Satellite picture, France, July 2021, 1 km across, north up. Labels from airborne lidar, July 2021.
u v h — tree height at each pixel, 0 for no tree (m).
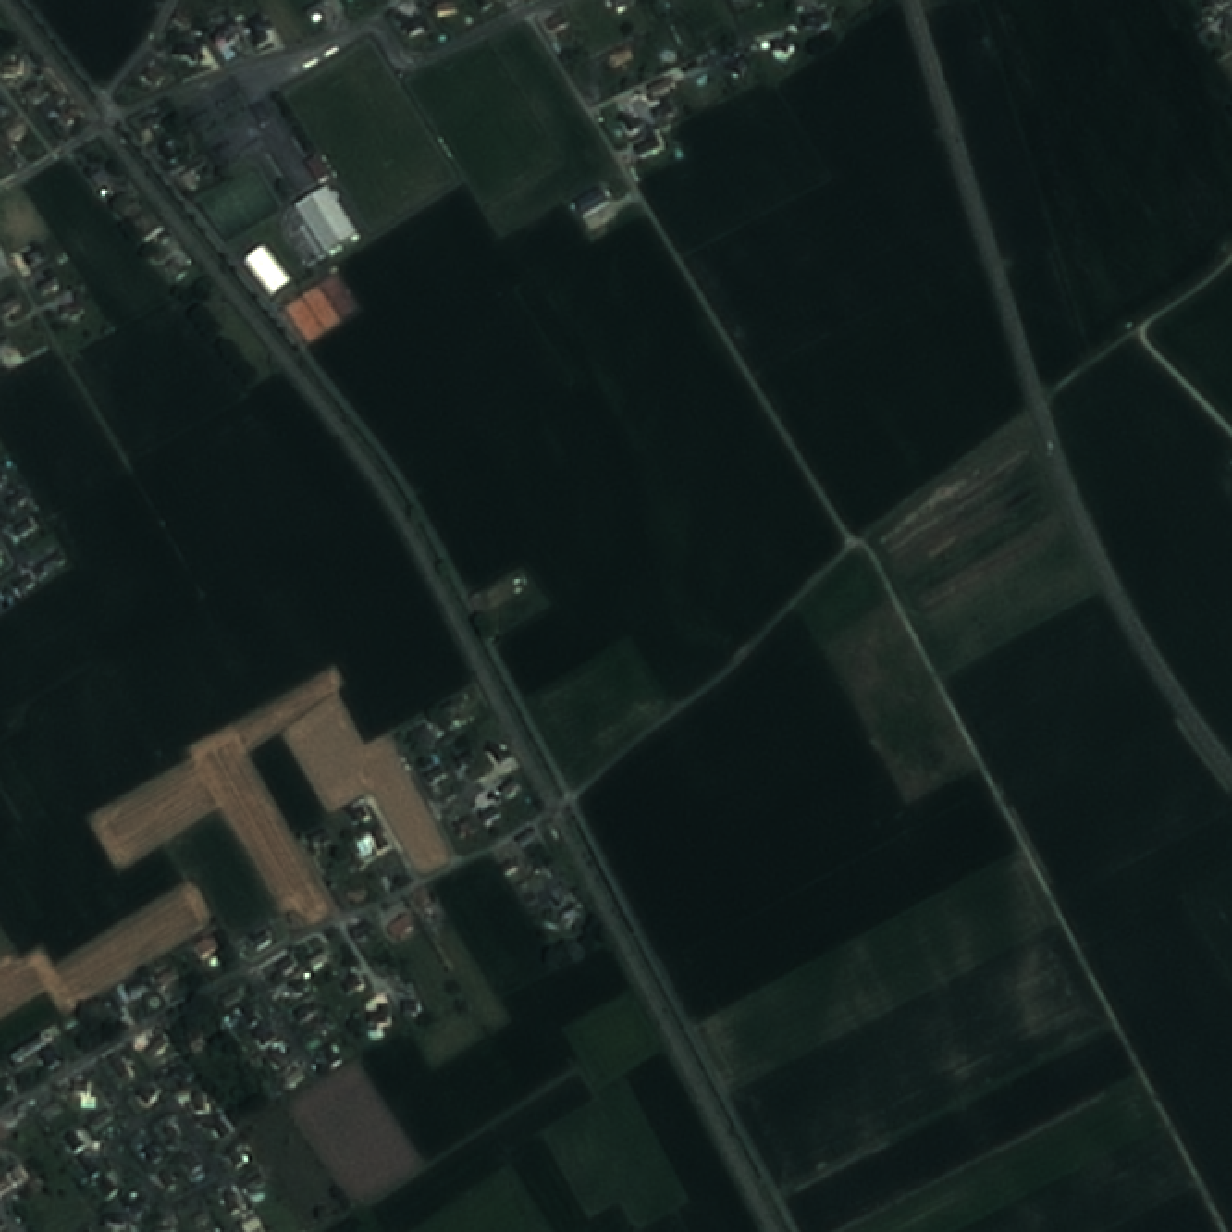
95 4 0
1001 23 0
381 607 0
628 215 0
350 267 0
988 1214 0
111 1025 6
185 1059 7
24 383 0
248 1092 6
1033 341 0
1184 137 0
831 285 0
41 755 0
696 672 0
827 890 0
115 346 0
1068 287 0
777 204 0
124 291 0
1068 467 0
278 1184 0
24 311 0
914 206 0
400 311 0
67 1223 0
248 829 0
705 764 0
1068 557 0
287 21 0
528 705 0
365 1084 0
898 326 0
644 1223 0
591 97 0
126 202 11
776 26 0
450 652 0
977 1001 0
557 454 0
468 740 7
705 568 0
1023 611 0
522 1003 0
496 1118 0
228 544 0
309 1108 0
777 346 0
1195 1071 0
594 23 0
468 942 0
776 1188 0
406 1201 0
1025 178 0
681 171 0
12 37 15
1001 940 0
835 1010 0
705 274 0
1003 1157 0
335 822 0
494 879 0
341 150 0
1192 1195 0
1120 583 0
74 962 0
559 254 0
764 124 0
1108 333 0
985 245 0
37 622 0
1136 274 0
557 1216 0
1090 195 0
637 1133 0
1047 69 0
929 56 0
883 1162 0
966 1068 0
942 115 0
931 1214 0
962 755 0
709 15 0
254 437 0
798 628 0
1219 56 8
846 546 0
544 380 0
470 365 0
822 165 0
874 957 0
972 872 0
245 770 0
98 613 0
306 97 0
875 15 7
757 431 0
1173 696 0
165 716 0
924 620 0
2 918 0
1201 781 0
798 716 0
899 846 0
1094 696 0
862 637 0
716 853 0
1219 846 0
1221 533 0
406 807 0
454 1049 0
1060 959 0
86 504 0
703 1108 0
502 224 0
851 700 0
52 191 0
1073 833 0
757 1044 0
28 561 0
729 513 0
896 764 0
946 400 0
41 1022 0
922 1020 0
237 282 0
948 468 0
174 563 0
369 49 0
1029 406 0
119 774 0
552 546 0
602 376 0
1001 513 0
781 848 0
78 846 0
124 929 0
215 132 6
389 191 0
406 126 0
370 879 6
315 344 0
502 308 0
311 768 0
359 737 0
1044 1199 0
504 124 0
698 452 0
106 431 0
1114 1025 0
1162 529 0
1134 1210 0
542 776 0
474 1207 0
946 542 0
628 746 0
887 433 0
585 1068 0
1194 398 0
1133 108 0
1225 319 0
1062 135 0
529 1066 0
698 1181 0
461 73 0
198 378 0
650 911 0
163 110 6
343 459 0
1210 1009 0
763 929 0
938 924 0
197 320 15
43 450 0
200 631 0
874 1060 0
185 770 0
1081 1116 0
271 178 0
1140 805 0
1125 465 0
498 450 0
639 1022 0
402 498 0
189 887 0
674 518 0
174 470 0
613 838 0
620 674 0
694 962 0
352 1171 0
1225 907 0
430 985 0
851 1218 0
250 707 0
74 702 0
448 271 0
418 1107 0
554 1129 0
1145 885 0
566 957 16
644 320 0
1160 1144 0
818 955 0
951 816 0
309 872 0
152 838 0
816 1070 0
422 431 0
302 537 0
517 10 0
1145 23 0
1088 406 0
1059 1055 0
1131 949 0
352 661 0
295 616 0
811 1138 0
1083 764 0
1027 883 0
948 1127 0
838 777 0
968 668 0
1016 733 0
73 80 0
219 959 10
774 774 0
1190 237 0
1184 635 0
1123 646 0
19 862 0
